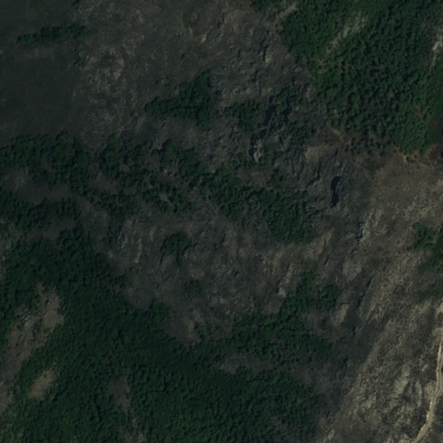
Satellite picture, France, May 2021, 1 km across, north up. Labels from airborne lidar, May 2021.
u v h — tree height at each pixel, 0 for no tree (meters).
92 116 0
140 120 0
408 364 0
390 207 0
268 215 14
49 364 9
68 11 0
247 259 0
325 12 8
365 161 0
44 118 0
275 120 9
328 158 0
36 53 0
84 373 24
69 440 13
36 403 11
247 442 22
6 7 0
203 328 8
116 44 0
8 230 7
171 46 0
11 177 0
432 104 13
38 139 11
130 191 0
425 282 0
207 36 0
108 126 0
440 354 0
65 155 17
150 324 18
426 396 0
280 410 12
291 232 12
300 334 9
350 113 18
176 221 0
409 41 24
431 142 17
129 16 0
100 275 18
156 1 0
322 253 0
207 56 0
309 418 8
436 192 0
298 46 20
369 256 0
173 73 0
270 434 8
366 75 31
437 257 6
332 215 0
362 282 0
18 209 18
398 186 0
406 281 0
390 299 0
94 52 0
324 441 0
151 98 0
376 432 0
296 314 12
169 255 0
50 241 8
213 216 0
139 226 0
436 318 0
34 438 20
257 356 7
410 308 0
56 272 18
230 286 0
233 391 14
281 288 0
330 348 13
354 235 0
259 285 0
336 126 11
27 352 0
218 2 0
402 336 0
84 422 22
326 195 0
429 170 0
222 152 0
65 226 0
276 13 8
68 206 12
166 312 18
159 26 0
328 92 26
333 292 11
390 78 23
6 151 18
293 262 0
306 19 26
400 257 0
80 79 0
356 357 0
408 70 18
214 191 9
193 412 24
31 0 0
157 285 0
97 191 11
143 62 0
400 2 20
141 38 0
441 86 8
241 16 0
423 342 0
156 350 20
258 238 0
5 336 15
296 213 7
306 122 10
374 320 0
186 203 8
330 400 0
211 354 12
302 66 10
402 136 13
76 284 31
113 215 9
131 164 9
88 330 24
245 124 9
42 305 0
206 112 12
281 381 16
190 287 9
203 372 19
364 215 0
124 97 0
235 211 11
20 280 35
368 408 0
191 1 0
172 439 7
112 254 0
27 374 18
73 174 27
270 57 0
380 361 0
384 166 0
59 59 0
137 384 13
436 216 0
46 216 19
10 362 0
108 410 27
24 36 12
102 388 18
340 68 28
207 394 21
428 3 7
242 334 16
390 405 0
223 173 14
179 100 21
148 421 18
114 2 0
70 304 11
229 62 0
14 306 12
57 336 9
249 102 7
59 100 0
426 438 0
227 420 23
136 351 25
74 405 24
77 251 20
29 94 0
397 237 0
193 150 11
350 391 0
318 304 8
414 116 16
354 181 0
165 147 22
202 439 14
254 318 12
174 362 14
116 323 17
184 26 0
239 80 0
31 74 0
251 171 0
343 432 0
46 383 0
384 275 0
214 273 0
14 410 8
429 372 0
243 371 9
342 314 0
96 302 24
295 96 10
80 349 26
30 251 11
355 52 24
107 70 0
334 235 0
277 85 0
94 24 0
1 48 0
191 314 0
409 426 0
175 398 26
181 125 0
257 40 0
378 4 17
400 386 0
